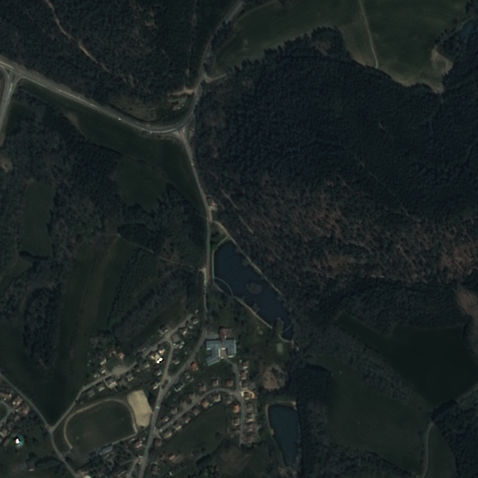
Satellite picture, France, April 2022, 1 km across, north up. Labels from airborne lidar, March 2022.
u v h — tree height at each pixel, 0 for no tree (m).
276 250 25
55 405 0
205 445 0
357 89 17
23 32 27
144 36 9
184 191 0
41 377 0
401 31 0
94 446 0
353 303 26
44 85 0
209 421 0
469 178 21
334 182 16
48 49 19
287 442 0
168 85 18
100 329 0
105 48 14
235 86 8
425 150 21
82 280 0
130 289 14
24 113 0
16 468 0
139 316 24
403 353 0
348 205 14
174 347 0
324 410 25
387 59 0
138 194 0
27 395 7
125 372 0
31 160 22
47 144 16
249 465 0
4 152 20
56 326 21
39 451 0
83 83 21
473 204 14
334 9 0
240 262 0
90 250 0
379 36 0
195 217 22
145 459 0
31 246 0
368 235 32
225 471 0
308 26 0
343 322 0
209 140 18
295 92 17
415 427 0
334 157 19
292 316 15
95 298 0
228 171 18
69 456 0
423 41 0
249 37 0
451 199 14
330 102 17
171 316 0
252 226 23
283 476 0
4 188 17
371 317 18
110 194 25
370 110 20
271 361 0
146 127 0
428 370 0
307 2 0
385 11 0
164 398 0
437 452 0
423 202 20
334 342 21
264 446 10
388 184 19
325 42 18
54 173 22
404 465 0
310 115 18
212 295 21
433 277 7
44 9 22
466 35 0
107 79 25
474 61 20
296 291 26
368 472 6
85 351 0
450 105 20
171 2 19
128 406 0
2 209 10
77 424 0
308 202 19
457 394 0
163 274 7
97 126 0
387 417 0
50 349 22
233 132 23
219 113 23
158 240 18
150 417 0
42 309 19
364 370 19
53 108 8
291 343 9
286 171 21
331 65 25
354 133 19
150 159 0
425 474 0
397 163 17
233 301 30
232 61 0
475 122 11
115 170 17
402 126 16
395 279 21
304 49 23
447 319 19
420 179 22
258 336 0
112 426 0
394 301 18
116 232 0
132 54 21
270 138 10
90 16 26
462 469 24
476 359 15
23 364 0
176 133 0
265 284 0
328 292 11
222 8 19
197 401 0
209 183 15
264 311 0
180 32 18
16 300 11
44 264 24
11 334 0
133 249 0
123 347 11
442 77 0
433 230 8
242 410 0
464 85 26
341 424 0
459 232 21
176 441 0
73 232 17
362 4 0
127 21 21
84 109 0
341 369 0
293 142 24
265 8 0
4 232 16
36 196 0
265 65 15
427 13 0
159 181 0
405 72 0
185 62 18
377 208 10
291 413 0
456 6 0
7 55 23
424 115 21
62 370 0
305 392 25
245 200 28
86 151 19
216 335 0
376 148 16
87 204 24
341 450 12
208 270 0
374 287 16
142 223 20
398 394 18
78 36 21
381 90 18
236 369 0
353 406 0
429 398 0
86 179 19
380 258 26
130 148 0
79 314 0
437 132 23
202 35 17
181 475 0
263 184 26
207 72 15
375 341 0
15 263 14
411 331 0
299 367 26
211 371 0
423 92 14
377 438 0
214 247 18
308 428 21
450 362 0
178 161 0
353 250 24
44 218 0
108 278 0
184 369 0
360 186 22
